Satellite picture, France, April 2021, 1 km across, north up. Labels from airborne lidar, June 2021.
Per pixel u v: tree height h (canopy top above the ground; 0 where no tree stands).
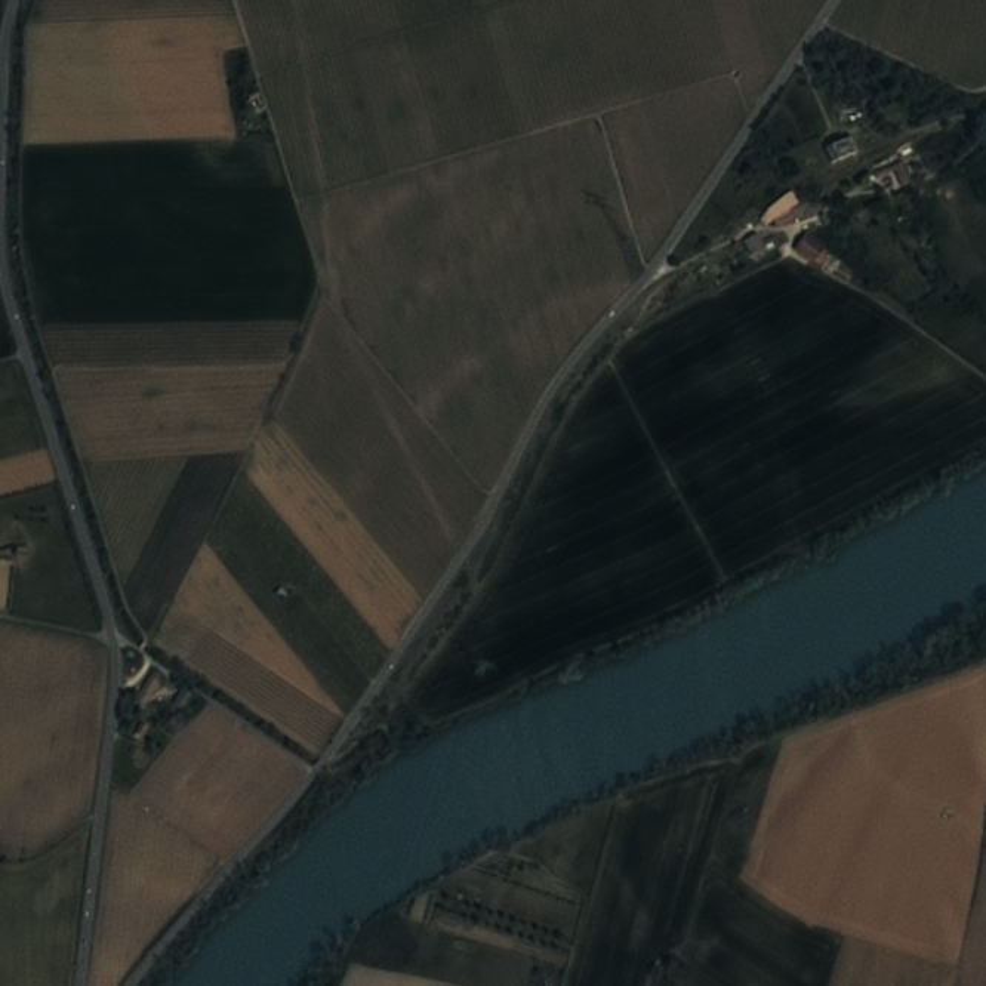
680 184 0
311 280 0
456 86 0
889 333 0
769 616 0
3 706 0
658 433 0
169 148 0
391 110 0
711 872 0
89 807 0
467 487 0
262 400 0
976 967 0
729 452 0
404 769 0
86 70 0
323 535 0
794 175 8
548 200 0
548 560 0
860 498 0
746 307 0
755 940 0
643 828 0
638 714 0
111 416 0
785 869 0
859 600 0
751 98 0
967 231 0
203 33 0
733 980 0
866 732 0
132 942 0
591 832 0
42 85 0
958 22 0
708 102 0
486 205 0
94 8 0
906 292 0
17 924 0
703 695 0
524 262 0
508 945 0
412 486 0
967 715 0
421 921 0
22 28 9
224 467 0
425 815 0
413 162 0
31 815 0
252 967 0
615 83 0
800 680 0
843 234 17
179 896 0
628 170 0
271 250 0
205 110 0
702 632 0
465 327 0
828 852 0
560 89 0
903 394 0
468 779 0
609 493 0
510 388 0
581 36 0
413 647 0
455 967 0
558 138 0
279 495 0
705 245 11
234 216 0
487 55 0
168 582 0
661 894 0
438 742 0
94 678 0
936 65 0
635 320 0
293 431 0
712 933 0
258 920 0
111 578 7
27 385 0
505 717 0
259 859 15
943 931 0
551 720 0
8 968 0
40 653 0
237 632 0
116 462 0
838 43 10
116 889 0
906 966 0
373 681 0
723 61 0
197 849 0
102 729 0
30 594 0
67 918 0
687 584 0
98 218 0
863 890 0
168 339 0
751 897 0
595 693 0
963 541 0
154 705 6
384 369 0
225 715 0
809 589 0
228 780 0
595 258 0
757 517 0
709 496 0
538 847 0
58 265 0
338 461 0
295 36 0
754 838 0
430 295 0
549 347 0
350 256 0
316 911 0
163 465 0
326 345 0
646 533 0
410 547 0
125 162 0
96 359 0
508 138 0
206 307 0
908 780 0
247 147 0
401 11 0
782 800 0
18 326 0
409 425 0
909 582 0
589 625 0
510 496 0
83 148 0
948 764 0
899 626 0
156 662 10
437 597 0
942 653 22
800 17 0
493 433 0
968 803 0
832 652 0
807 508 0
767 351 0
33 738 0
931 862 0
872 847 0
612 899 0
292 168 0
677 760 11
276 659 0
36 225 0
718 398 0
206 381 0
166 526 0
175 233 0
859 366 0
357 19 0
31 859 0
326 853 0
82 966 0
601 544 0
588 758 0
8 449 0
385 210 0
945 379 0
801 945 0
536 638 0
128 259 0
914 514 0
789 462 0
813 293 0
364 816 0
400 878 0
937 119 11
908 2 0
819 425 0
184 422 0
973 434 0
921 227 12
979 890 0
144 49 0
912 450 0
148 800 0
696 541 0
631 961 0
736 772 0
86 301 0
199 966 0
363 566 0
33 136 0
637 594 0
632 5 0
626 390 0
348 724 0
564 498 0
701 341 0
